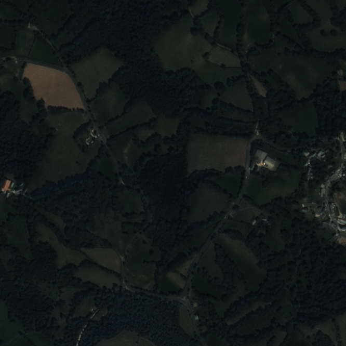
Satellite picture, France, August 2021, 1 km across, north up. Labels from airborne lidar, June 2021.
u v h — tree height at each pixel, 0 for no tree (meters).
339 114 7
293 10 0
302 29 25
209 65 0
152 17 27
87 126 15
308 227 21
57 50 11
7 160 20
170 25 19
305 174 11
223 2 0
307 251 21
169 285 0
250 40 0
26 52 0
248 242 15
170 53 0
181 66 0
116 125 0
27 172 22
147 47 29
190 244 0
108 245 11
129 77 23
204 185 13
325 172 14
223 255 21
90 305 0
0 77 0
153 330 11
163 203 8
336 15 21
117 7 23
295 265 19
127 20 31
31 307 7
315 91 8
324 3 0
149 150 0
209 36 16
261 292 11
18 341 0
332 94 27
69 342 9
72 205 14
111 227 0
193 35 13
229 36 0
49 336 19
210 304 27
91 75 0
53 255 8
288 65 0
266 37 0
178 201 11
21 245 0
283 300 21
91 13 18
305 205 0
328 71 0
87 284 12
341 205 0
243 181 12
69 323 11
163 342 10
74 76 13
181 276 7
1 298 8
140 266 0
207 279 11
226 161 0
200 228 18
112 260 0
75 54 23
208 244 0
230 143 0
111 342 0
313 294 22
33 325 10
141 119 0
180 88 30
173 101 24
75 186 25
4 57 0
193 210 0
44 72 0
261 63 0
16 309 8
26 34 0
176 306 9
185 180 8
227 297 16
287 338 8
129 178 25
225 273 9
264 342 0
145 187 9
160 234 18
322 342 12
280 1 0
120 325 6
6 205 0
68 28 16
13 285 10
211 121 14
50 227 17
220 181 0
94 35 22
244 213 0
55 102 0
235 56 0
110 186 18
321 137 20
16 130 15
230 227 0
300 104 18
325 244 14
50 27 0
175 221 9
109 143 11
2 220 0
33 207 24
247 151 0
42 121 15
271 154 0
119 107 0
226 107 19
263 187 7
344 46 0
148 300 7
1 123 23
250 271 0
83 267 17
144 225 16
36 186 0
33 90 10
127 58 19
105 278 0
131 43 24
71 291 0
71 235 16
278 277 22
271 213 14
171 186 9
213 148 0
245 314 0
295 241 21
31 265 9
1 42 0
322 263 15
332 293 30
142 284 0
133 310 6
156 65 26
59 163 0
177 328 11
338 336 7
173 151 23
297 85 0
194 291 8
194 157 0
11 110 24
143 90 20
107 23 22
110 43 25
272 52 0
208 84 0
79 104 0
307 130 0
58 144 0
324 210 0
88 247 14
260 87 0
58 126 0
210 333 14
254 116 12
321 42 0
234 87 9
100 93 16
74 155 0
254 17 0
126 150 0
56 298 0
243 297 0
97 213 0
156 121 20
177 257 0
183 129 28
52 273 7
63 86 0
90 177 28
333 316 15
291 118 0
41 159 19
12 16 0
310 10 19
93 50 24
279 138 22
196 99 27
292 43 19
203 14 10
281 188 0
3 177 7
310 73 0
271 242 0
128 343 0
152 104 20
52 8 0
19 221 0
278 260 22
